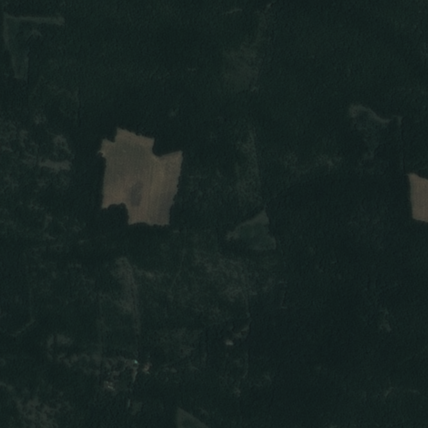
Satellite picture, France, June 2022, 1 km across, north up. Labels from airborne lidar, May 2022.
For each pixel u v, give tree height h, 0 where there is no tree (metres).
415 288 15
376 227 7
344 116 10
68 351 6
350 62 10
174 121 15
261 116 10
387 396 7
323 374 11
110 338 8
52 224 9
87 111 12
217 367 10
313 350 15
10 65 6
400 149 7
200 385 11
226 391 8
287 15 8
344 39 11
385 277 12
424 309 11
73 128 12
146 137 12
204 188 9
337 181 11
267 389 8
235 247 12
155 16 11
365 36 8
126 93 8
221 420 6
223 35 8
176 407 11
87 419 6
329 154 8
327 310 9
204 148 16
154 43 12
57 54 8
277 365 8
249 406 8
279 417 10
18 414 6
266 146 9
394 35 14
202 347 12
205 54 10
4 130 7
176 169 0
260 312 10
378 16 9
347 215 9
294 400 13
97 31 13
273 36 14
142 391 11
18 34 8
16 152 8
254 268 8
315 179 9
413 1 8
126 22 8
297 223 8
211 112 11
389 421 8
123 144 0
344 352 12
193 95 12
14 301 9
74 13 8
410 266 10
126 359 7
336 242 11
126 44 13
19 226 7
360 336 15
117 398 10
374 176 11
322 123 13
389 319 10
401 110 11
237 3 6
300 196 12
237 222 9
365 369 13
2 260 9
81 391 6
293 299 11
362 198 9
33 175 9
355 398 12
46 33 9
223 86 9
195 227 6
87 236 5
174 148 10
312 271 10
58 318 6
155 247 5
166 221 0
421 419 7
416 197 0
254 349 11
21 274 7
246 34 9
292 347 12
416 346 14
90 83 8
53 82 7
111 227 8
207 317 7
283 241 8
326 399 11
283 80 8
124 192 0
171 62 13
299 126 9
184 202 7
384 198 10
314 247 6
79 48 10
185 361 7
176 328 10
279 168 11
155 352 12
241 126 8
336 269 8
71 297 10
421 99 8
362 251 11
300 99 10
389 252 11
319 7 11
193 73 10
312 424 11
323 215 9
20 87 7
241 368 7
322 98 9
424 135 10
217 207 7
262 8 10
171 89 13
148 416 10
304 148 10
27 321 15
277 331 12
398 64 11
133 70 7
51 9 9
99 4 9
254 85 6
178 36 11
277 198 8
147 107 13
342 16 14
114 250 6
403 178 7
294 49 9
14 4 9
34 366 7
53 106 10
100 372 7
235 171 9
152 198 0
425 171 7
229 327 12
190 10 10
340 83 10
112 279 10
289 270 12
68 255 6
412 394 7
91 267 9
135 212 0
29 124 8
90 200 12
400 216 11
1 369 6
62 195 8
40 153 6
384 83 9
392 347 12
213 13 10
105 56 8
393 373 10
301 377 14
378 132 9
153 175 0
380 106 10
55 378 7
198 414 12
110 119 12
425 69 10
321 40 10
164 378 9
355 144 10
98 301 9
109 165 0
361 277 10
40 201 6
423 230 13
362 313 7
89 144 10
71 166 5
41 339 6
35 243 7
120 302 6
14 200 9
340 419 11
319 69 11
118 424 12
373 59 9
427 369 7
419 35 7
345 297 13
